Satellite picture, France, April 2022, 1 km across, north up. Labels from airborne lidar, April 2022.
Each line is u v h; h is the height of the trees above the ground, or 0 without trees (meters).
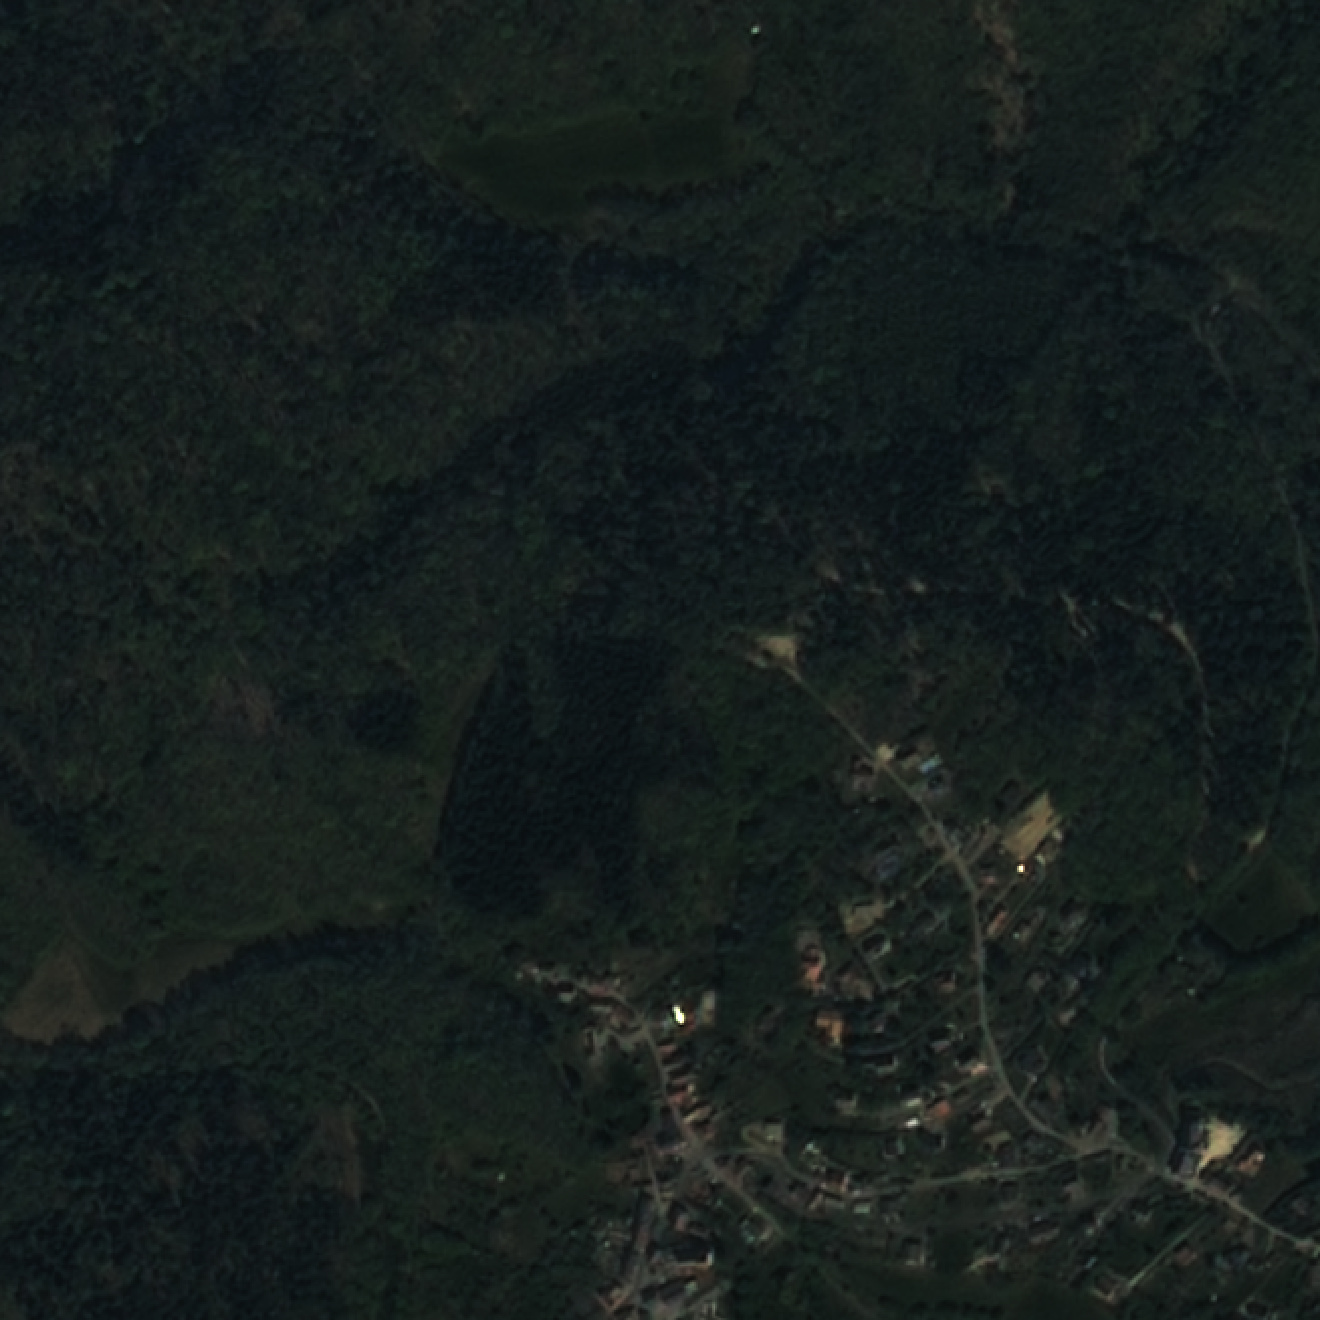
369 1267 16
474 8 22
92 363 24
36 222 18
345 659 23
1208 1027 0
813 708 16
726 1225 7
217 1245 20
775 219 22
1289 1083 0
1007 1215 0
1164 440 30
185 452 24
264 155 30
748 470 27
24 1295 17
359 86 27
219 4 26
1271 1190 0
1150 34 18
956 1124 0
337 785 24
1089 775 19
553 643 24
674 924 22
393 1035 24
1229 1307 7
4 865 22
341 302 31
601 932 19
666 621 25
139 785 27
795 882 13
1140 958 20
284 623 27
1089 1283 10
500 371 30
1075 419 32
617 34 29
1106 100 19
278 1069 15
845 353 23
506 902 24
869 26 13
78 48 28
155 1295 19
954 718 0
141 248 27
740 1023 12
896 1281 0
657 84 25
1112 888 22
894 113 20
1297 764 18
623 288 28
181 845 27
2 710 28
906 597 21
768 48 10
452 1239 15
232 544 27
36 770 26
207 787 26
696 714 26
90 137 29
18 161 30
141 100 30
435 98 25
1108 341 28
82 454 23
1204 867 18
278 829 27
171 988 0
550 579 30
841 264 16
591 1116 15
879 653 20
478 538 31
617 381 30
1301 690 19
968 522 30
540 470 34
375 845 28
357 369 31
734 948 17
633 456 16
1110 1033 17
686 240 26
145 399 25
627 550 20
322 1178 17
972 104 24
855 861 12
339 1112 15
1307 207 16
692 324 29
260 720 18
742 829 10
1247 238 17
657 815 25
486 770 27
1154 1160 0
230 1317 20
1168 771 28
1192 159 25
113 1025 0
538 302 26
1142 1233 0
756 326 18
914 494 27
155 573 28
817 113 12
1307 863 28
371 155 35
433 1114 23
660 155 0
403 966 25
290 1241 20
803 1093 0
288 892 30
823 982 0
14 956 13
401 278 28
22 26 27
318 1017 22
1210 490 30
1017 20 26
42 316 19
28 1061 17
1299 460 28
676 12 31
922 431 19
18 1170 24
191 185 30
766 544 25
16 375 23
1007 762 18
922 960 11
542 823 27
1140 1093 15
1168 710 17
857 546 25
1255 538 27
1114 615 26
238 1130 25
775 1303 6
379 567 33
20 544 18
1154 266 24
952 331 18
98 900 27
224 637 26
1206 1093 19
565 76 32
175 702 26
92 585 28
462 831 29
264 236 25
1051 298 18
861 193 22
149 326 25
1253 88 28
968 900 11
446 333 27
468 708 0
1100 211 16
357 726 22
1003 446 28
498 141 0
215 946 0
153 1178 19
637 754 25
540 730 20
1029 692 15
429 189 22
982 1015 0
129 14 28
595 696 28
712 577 25
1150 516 32
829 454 26
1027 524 9
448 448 30
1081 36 24
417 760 31
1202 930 24
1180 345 29
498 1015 16
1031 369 29
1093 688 16
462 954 21
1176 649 26
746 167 0
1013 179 13
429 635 26
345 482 33
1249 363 23
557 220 0
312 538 17
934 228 21
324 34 25
